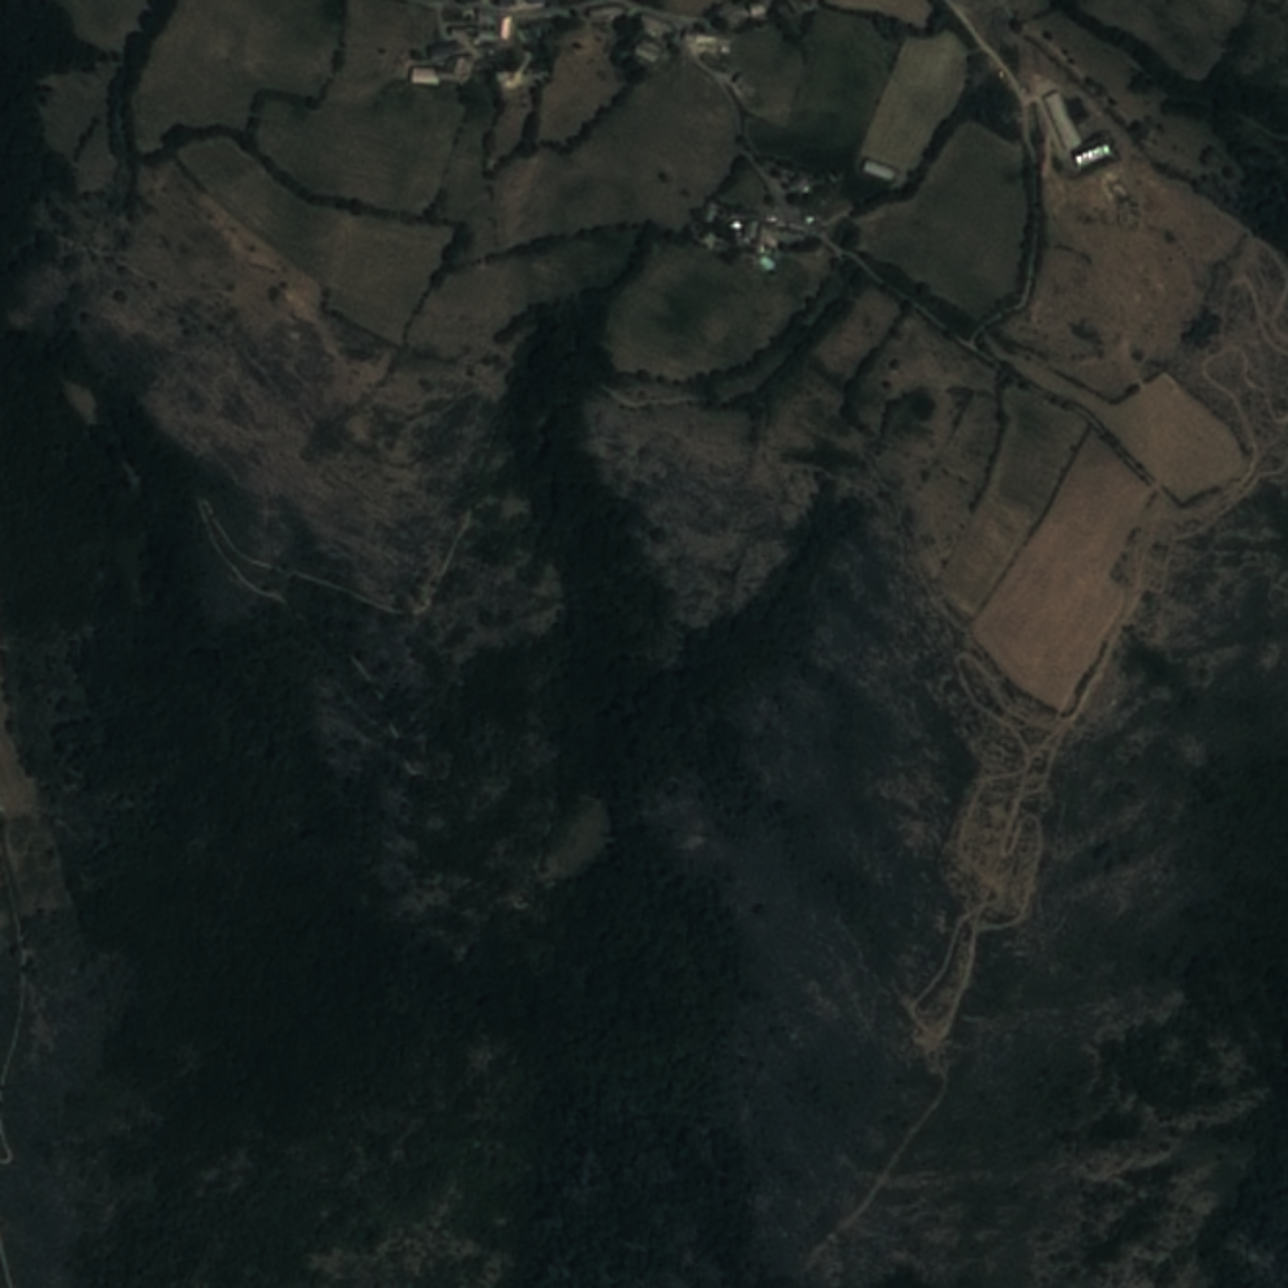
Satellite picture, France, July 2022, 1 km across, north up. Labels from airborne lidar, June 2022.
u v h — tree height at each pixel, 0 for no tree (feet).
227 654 32
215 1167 22
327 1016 69
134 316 0
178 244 0
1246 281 0
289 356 0
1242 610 0
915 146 0
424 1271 18
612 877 82
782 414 0
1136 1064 44
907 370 0
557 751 22
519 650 28
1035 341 0
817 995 0
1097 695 0
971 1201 0
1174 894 0
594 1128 52
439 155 0
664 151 0
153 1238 29
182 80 0
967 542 0
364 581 0
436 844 27
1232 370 0
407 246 0
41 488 53
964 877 0
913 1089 0
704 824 0
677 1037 46
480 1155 39
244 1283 41
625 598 40
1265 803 23
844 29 0
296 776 68
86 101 0
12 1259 0
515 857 22
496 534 22
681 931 31
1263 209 38
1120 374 0
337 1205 41
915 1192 0
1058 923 0
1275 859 21
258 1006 50
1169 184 0
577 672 63
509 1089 23
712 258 0
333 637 25
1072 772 0
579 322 34
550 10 0
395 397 0
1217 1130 21
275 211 0
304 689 22
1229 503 0
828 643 0
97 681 60
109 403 31
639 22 33
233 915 58
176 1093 40
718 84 0
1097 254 0
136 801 45
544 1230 78
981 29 0
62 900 0
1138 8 0
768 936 0
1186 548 0
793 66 0
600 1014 62
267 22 0
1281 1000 35
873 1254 0
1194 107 26
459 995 78
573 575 58
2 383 51
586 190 0
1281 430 0
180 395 0
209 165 0
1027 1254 0
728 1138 39
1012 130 0
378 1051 45
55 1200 0
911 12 0
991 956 0
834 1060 0
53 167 50
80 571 31
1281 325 0
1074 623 0
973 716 0
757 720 0
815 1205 0
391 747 25
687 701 66
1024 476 0
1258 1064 30
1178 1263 36
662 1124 45
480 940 24
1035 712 0
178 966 45
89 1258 27
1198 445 0
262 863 58
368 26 0
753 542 0
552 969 41
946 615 0
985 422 0
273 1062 50
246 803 63
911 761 0
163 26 44
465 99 26
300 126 0
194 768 64
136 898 54
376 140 0
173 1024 46
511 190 0
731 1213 31
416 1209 28
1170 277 0
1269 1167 36
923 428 0
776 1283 22
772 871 0
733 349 0
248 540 0
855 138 0
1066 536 0
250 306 0
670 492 0
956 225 0
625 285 28
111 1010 19
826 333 23
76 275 33
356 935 54
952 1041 0
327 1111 38
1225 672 0
